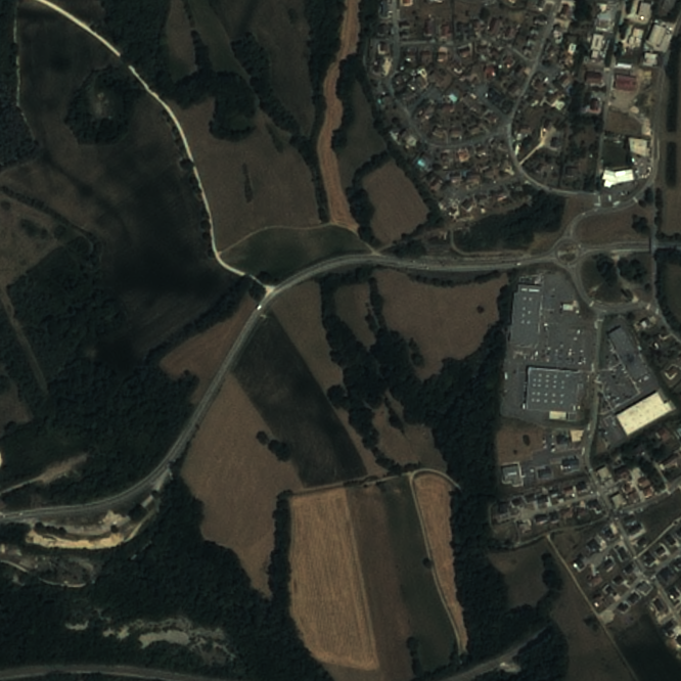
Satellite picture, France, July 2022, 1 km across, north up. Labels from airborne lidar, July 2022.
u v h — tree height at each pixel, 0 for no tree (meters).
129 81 11
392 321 0
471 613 14
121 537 0
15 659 17
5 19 16
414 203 0
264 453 0
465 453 21
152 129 0
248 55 9
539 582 0
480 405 17
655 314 0
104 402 9
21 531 10
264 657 19
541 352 0
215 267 0
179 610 10
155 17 18
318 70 13
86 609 7
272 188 0
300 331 0
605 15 0
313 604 0
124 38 18
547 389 0
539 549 0
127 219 0
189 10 6
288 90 0
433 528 0
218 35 0
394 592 0
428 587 0
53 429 7
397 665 0
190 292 0
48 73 0
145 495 0
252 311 0
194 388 20
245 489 0
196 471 0
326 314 14
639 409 0
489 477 12
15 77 9
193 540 19
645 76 0
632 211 0
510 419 0
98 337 15
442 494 0
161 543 14
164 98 10
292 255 0
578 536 0
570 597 0
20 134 12
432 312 0
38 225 0
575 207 0
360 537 0
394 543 0
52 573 9
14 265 0
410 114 0
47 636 17
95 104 0
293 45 0
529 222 15
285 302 0
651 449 8
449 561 0
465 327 0
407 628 0
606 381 0
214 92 17
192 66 0
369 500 0
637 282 11
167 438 8
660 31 0
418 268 0
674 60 6
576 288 0
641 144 0
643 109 0
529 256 0
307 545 0
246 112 18
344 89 18
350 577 0
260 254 0
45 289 0
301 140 19
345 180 0
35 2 0
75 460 0
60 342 14
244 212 0
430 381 10
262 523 0
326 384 0
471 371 17
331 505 0
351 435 0
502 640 15
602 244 0
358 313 0
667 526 0
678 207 0
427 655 0
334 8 16
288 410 0
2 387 11
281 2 0
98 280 14
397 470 14
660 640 0
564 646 14
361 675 0
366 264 0
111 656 12
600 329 0
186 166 16
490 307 0
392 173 0
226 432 0
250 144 0
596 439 0
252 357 0
